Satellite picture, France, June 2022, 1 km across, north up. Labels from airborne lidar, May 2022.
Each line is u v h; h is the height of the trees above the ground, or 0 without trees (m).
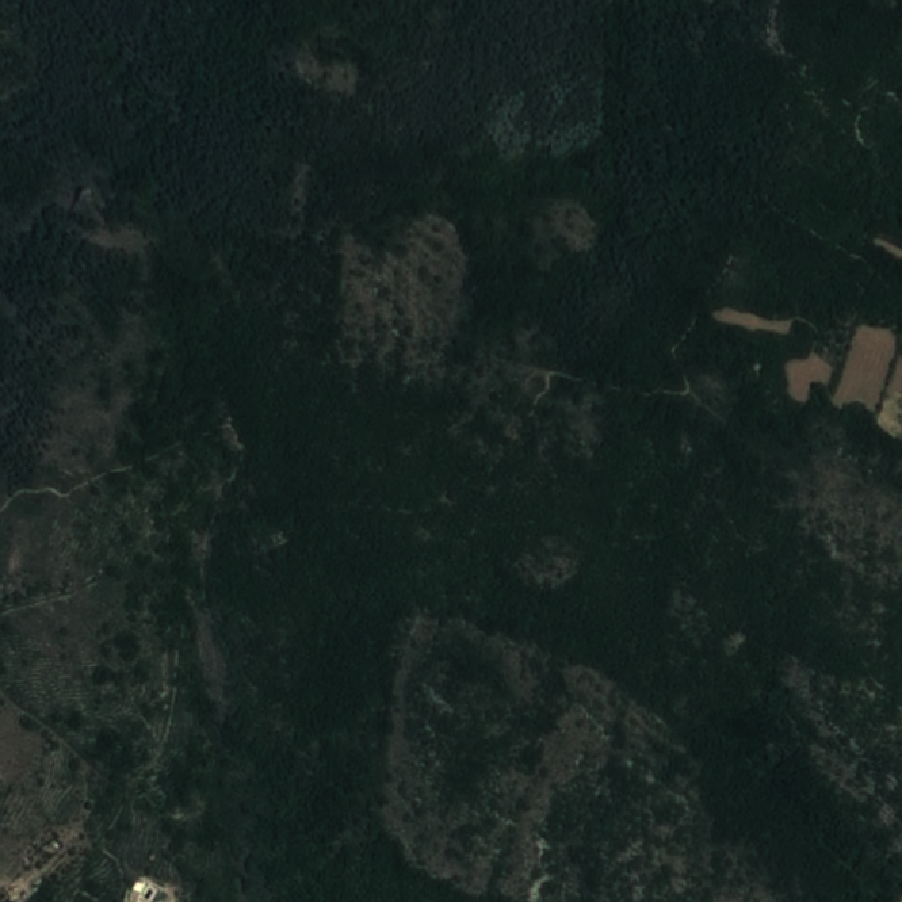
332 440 8
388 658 9
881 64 8
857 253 7
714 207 11
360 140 14
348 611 9
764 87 9
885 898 10
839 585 6
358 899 7
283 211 7
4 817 0
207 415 11
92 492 9
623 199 12
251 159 12
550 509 8
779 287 8
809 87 7
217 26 9
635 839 6
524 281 8
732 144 13
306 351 6
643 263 12
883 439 7
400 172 13
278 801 7
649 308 15
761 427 9
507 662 0
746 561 7
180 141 11
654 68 9
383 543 8
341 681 11
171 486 8
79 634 0
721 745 11
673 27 8
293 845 7
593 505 7
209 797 8
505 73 10
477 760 6
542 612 11
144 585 6
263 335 6
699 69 8
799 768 11
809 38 6
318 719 7
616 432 9
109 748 6
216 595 7
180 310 9
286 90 8
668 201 15
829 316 8
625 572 10
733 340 11
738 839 7
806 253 10
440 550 6
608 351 10
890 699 6
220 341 8
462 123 9
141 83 10
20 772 0
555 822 7
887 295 10
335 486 8
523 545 7
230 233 10
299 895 10
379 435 8
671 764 6
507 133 9
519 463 7
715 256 7
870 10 7
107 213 10
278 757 7
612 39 9
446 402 9
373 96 10
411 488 7
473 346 6
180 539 10
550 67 9
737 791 10
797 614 10
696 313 7
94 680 7
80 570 0
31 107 10
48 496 0
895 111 7
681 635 6
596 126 17
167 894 0
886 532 0
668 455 6
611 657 10
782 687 8
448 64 13
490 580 7
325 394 6
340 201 11
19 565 0
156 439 7
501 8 16
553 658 8
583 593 7
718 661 7
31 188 6
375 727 6
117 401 0
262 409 8
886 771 8
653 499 6
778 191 6
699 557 8
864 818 7
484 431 7
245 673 7
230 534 7
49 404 8
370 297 0
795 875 8
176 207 7
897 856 7
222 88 7
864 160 7
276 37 6
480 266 7
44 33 13
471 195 8
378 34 9
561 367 7
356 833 9
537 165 8
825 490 0
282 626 6
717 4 9
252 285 9
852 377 0
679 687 8
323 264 6
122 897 6
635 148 9
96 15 12
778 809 14
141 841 0
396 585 9
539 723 8
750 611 10
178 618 9
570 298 14
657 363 12
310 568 8
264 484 8
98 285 12
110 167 7
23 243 11
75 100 12
